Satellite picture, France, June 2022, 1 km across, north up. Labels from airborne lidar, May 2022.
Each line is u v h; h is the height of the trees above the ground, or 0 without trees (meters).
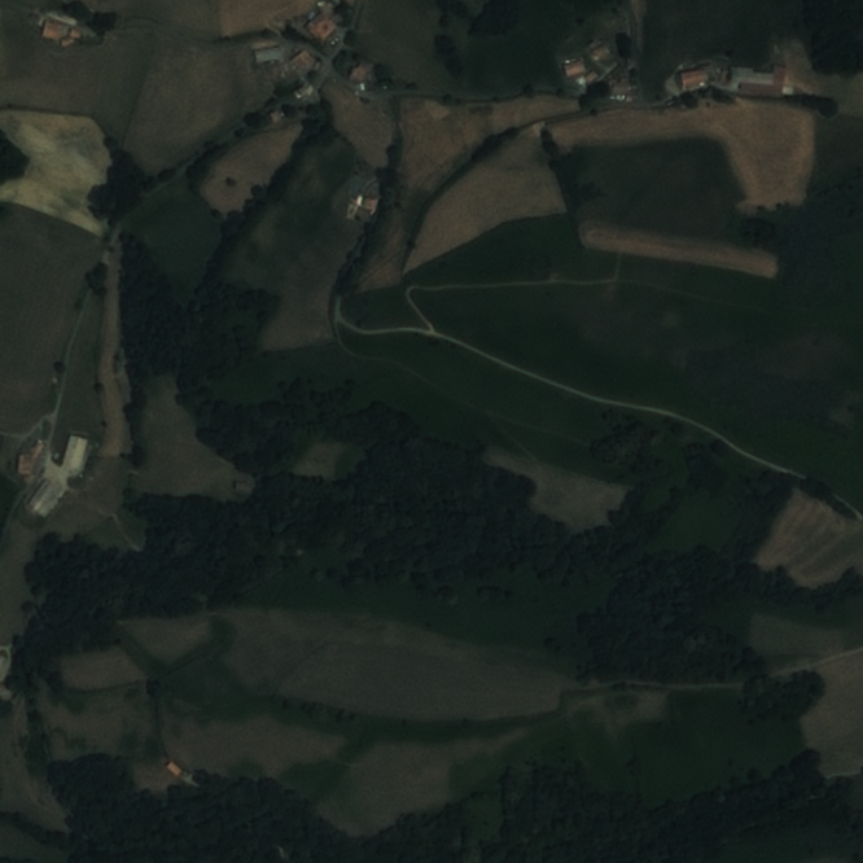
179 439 0
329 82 0
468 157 0
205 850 21
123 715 0
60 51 0
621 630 18
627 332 0
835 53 18
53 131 0
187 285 0
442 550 25
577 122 0
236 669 0
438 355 0
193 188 7
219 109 0
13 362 0
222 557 21
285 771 0
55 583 19
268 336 0
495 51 0
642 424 10
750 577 25
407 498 23
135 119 0
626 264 0
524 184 0
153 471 0
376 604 0
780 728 0
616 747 0
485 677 0
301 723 0
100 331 0
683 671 12
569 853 16
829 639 0
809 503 0
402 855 20
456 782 0
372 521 21
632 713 0
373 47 0
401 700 0
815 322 0
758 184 0
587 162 0
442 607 0
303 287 0
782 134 0
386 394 0
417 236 0
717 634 11
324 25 0
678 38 0
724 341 0
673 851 15
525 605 0
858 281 0
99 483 0
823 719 0
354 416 12
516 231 0
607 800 7
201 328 17
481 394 0
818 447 0
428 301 0
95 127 0
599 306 0
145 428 0
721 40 0
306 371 0
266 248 0
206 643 0
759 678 11
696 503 0
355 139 0
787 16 0
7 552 0
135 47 0
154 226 0
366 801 0
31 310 0
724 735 0
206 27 0
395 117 0
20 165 13
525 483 24
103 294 12
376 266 0
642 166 0
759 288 0
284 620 0
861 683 0
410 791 0
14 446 0
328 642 0
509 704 0
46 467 0
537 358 0
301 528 22
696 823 24
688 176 0
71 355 0
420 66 0
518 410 0
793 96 6
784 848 0
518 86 0
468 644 0
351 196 0
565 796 12
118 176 20
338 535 19
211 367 15
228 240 18
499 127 0
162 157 0
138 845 31
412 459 23
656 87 0
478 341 0
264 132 0
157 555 21
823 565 0
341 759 0
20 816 10
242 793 16
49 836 15
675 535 0
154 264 16
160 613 14
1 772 0
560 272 0
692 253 0
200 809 18
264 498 21
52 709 0
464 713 0
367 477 24
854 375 0
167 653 0
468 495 22
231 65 0
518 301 0
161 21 0
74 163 0
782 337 0
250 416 13
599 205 0
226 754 0
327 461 0
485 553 17
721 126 0
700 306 0
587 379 0
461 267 0
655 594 16
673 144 0
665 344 0
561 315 0
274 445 17
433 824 13
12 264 0
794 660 0
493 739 0
